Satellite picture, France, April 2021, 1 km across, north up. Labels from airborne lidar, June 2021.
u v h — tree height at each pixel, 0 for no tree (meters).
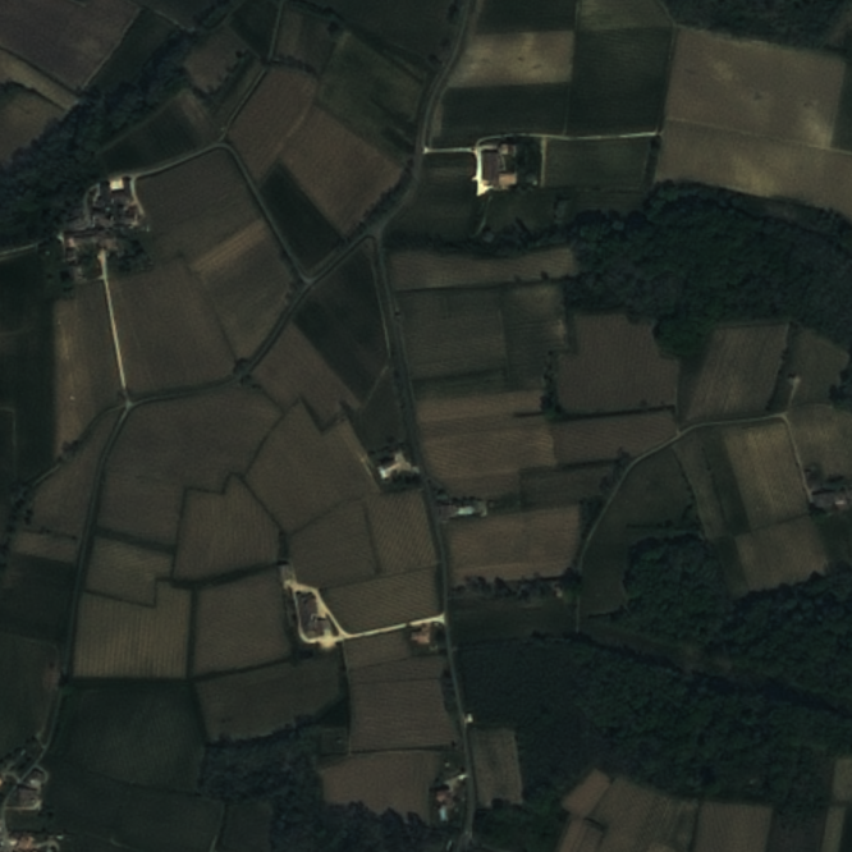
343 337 0
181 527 0
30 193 21
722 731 22
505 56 0
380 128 0
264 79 0
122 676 0
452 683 13
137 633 0
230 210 0
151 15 0
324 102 0
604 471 0
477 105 0
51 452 0
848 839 0
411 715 0
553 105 0
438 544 0
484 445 0
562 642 12
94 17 0
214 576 0
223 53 0
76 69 0
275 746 14
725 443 0
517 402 0
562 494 0
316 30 0
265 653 0
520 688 17
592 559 0
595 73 0
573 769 19
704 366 0
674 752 24
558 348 0
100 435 0
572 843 0
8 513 0
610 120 0
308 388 0
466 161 0
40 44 0
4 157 0
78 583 0
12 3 0
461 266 0
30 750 9
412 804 0
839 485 15
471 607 0
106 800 0
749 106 0
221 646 0
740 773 19
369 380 0
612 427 0
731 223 20
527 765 12
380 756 0
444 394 0
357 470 0
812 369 0
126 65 0
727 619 23
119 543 0
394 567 0
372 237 0
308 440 0
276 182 0
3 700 0
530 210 0
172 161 0
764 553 0
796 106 0
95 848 0
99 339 0
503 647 15
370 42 0
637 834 0
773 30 7
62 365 0
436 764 0
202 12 0
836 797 0
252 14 0
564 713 18
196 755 0
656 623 16
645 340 0
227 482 0
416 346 0
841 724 21
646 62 0
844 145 0
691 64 0
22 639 0
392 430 0
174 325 0
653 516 0
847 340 16
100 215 0
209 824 0
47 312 0
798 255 17
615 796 0
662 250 26
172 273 0
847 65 0
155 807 0
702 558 26
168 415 0
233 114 0
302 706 0
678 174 0
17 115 0
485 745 0
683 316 21
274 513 0
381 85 0
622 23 0
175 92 18
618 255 33
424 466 0
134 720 0
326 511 0
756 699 24
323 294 0
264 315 0
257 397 0
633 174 0
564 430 0
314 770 14
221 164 0
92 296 0
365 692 0
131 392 8
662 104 0
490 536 0
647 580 25
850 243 22
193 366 0
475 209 0
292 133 0
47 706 0
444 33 0
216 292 0
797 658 28
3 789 8
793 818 6
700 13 14
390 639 0
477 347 0
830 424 0
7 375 0
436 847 15
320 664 0
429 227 0
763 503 0
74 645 0
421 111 0
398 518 0
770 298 21
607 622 7
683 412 0
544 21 0
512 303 0
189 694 0
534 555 0
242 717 0
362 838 21
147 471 0
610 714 23
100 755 0
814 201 0
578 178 0
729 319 19
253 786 7
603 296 7
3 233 0
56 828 0
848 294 19
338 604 0
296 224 0
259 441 0
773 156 0
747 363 0
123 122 15
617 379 0
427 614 0
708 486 0
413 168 11
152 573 0
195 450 0
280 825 14
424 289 0
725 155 0
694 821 0
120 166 0
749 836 0
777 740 21
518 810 11
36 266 0
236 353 0
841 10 20
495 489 0
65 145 16
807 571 0
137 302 0
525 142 13
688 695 32
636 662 21
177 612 0
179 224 0
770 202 0
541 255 0
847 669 23
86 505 0
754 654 25
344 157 0
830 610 26
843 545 0
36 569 0
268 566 0
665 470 0
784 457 0
